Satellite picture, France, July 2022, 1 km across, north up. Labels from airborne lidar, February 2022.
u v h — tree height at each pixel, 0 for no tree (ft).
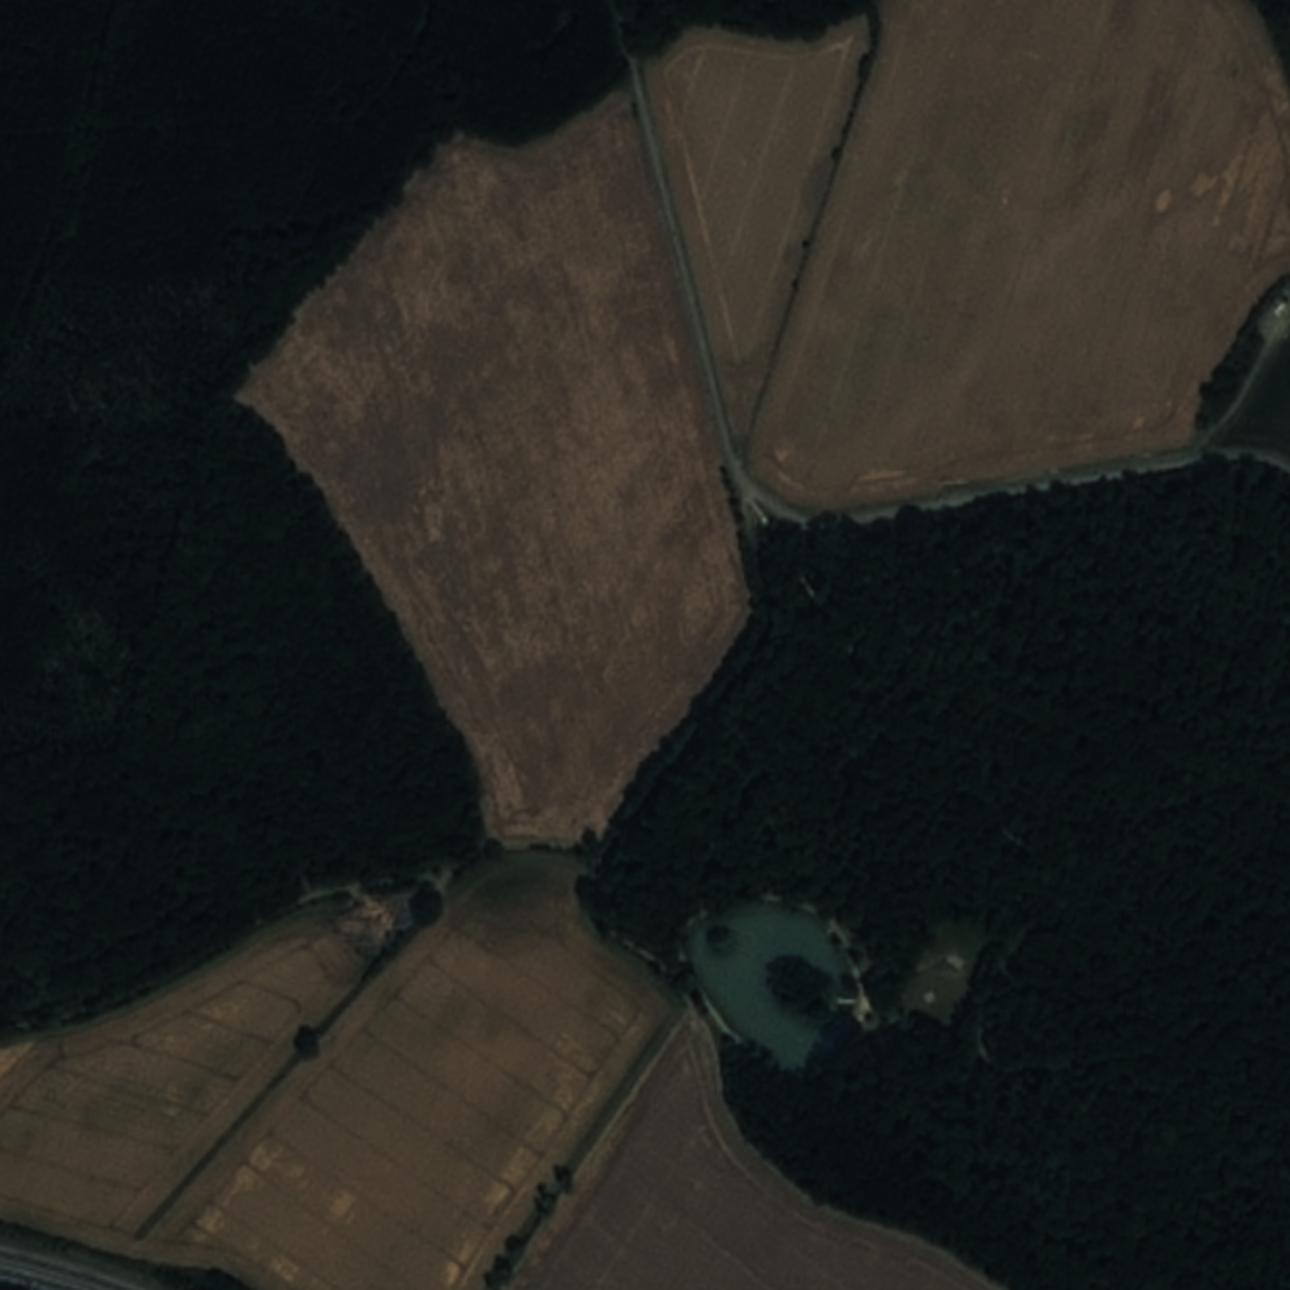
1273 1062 85
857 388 0
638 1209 0
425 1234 0
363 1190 0
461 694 0
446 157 0
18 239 47
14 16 51
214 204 38
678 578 0
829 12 58
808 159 0
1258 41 0
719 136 0
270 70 47
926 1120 91
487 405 0
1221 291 0
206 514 71
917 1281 0
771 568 77
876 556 81
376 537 0
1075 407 0
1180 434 0
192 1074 0
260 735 75
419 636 0
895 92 0
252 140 46
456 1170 0
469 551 0
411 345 0
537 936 0
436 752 77
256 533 79
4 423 51
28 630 49
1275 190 0
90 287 41
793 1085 57
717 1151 0
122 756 59
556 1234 0
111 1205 0
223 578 81
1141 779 76
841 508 0
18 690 59
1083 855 64
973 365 0
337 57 55
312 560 77
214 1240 0
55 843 84
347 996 0
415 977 0
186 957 66
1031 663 69
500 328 0
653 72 0
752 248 0
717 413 0
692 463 0
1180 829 74
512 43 47
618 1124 0
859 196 0
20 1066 0
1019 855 64
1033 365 0
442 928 0
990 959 24
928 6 0
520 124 52
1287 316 0
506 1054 0
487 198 0
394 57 45
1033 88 0
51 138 48
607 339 0
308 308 0
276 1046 0
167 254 45
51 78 55
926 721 69
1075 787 66
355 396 0
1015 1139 97
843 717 72
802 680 88
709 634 0
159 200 39
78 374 42
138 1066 0
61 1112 0
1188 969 84
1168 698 78
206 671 67
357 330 0
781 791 97
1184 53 0
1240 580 81
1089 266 0
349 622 80
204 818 79
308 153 41
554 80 53
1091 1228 68
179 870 78
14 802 75
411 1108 0
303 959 0
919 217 0
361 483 0
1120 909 79
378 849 51
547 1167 0
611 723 0
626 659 0
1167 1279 76
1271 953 77
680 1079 0
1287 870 73
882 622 75
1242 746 86
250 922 43
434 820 57
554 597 0
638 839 89
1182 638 87
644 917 94
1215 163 0
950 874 78
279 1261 0
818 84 0
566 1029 0
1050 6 0
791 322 0
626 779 0
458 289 0
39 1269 0
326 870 52
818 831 75
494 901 0
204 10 51
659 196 0
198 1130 0
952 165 0
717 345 0
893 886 81
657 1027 0
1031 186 0
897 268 0
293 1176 0
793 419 0
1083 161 0
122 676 55
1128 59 0
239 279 69
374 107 49
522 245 0
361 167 50
